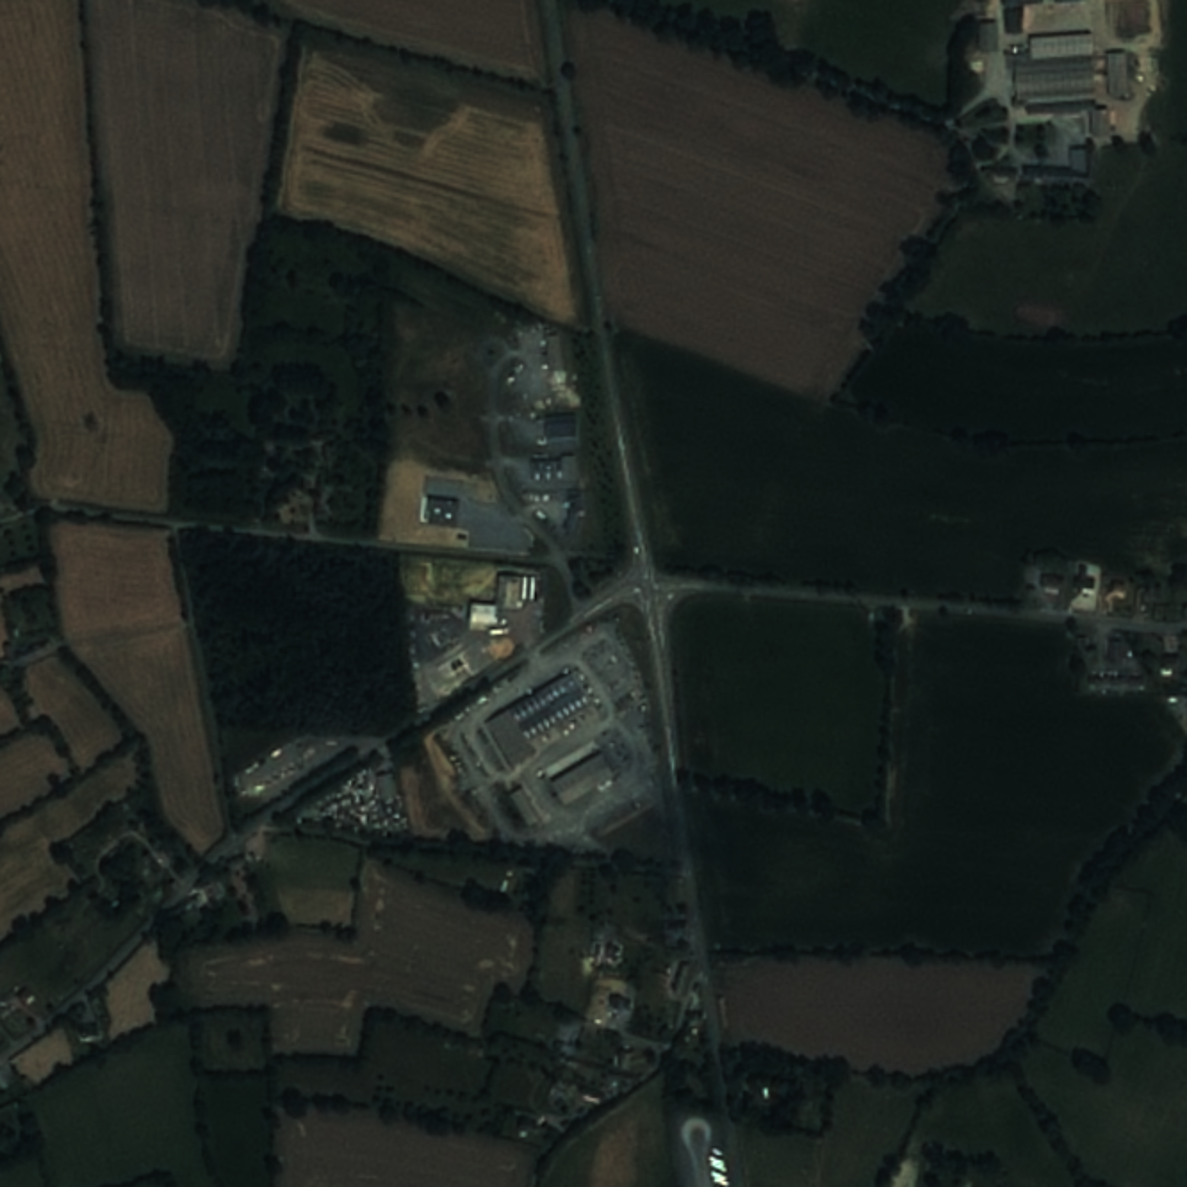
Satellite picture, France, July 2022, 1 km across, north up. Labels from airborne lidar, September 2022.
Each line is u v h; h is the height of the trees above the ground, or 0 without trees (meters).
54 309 0
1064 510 0
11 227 0
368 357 11
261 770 0
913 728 0
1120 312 0
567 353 0
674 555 0
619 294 0
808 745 0
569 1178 0
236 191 0
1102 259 0
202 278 0
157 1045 0
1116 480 0
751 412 0
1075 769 0
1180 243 0
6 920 0
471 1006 0
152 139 0
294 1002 0
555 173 0
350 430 6
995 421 0
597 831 0
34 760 0
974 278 0
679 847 0
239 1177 0
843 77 15
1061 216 16
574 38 0
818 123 0
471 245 0
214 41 0
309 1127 0
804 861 0
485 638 0
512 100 0
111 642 0
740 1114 15
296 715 16
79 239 0
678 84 0
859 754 0
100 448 0
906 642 0
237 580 23
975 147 9
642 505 0
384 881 0
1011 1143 0
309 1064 8
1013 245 0
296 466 9
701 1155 0
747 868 0
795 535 0
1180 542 0
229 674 18
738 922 0
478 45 0
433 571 0
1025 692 0
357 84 0
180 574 8
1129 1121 0
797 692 0
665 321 0
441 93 0
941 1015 0
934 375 0
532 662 0
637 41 0
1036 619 0
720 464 0
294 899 0
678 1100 11
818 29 0
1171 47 0
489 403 0
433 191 0
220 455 21
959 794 0
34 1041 9
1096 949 0
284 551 18
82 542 0
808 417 0
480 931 0
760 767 0
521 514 0
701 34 20
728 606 0
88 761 0
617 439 0
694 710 0
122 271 0
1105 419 0
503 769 0
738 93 0
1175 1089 0
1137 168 0
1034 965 9
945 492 0
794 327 0
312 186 0
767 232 0
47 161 0
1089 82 0
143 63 0
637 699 0
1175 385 0
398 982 0
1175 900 0
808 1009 0
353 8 0
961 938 0
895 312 20
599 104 0
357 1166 0
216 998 0
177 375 11
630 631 0
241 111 0
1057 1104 0
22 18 0
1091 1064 17
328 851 0
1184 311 0
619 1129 0
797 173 0
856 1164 0
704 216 0
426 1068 0
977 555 0
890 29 0
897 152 0
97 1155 0
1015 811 0
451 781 0
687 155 0
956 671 0
